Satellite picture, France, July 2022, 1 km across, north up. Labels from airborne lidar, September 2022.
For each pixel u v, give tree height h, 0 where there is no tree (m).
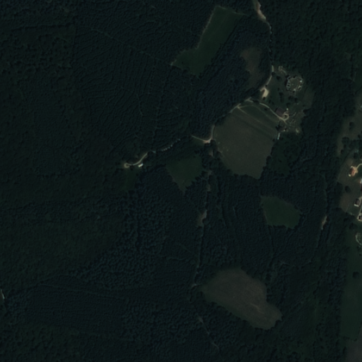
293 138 9
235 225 20
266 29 14
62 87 26
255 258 23
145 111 16
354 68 20
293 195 24
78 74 18
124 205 35
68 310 23
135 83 12
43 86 11
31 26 10
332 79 28
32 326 22
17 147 25
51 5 12
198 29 25
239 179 22
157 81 18
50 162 12
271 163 16
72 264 23
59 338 19
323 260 23
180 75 17
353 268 0
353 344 0
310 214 25
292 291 23
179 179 0
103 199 19
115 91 16
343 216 30
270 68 7
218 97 28
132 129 18
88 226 19
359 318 0
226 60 28
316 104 14
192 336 24
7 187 27
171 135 15
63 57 22
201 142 0
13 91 27
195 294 20
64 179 22
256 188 23
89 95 19
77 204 17
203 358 22
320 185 21
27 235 20
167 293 23
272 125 0
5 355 25
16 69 23
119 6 19
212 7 23
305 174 25
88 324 20
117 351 17
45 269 20
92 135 23
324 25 19
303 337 6
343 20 21
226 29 0
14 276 15
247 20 15
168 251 24
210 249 25
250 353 27
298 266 24
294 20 16
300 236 22
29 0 30
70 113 23
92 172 25
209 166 11
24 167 22
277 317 0
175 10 19
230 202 18
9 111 24
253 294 0
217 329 32
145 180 24
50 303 22
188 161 0
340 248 20
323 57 14
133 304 27
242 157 0
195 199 20
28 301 27
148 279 33
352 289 0
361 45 18
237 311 0
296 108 0
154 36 20
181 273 22
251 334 21
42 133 11
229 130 0
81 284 24
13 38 24
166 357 32
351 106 26
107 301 22
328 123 19
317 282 16
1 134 23
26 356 15
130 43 18
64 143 11
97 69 21
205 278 24
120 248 26
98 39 16
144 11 17
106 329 22
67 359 22
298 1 17
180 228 24
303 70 15
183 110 18
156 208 40
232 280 0
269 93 0
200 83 13
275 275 29
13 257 17
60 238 16
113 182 20
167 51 21
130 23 21
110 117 15
